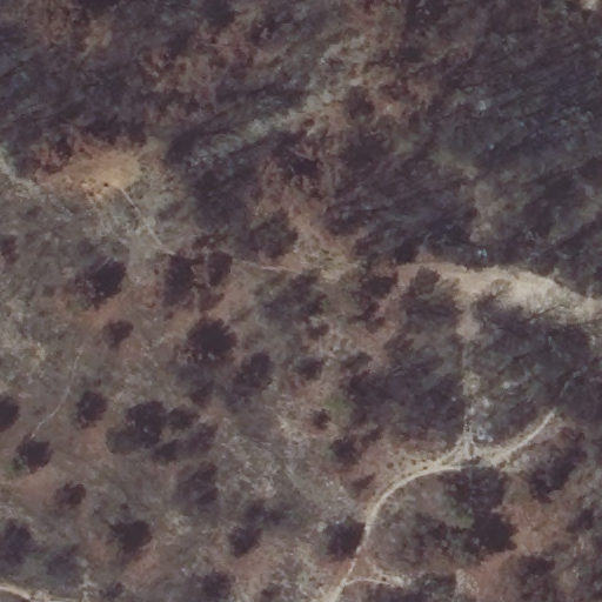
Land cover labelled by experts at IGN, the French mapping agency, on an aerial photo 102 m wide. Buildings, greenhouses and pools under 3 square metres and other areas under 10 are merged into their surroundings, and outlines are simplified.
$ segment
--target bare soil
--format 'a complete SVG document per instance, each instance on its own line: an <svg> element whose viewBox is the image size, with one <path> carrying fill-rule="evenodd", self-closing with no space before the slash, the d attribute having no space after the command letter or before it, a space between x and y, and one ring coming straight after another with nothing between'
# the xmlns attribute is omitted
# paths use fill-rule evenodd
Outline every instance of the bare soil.
<svg viewBox="0 0 602 602"><path fill-rule="evenodd" d="M132 153L134 143L129 141L129 136L118 136L115 146L111 148L92 134L82 134L78 127L63 129L42 122L31 134L31 158L21 162L16 169L0 148L0 583L12 583L28 590L45 590L52 597L73 602L296 602L296 583L303 564L296 562L296 546L310 546L317 564L350 560L357 543L362 541L362 522L367 506L374 496L388 489L395 468L404 468L407 463L419 461L435 461L440 454L452 452L459 435L463 433L463 412L482 397L491 400L487 416L494 442L499 447L508 444L513 454L491 468L487 468L480 459L468 459L463 461L461 470L419 477L400 487L376 517L372 557L383 571L407 574L414 583L421 581L426 574L454 576L454 590L475 597L475 602L522 602L517 595L517 574L520 560L524 555L539 555L546 562L555 562L553 574L560 578L560 588L574 588L578 583L578 569L571 567L571 560L590 550L593 543L586 534L569 534L567 524L588 508L595 513L597 508L602 508L602 468L597 463L588 466L583 449L564 447L557 435L562 428L581 428L586 435L602 430L602 343L590 346L578 320L562 325L557 315L548 315L546 310L529 310L524 306L501 308L491 294L482 294L480 299L475 299L473 294L459 289L459 282L442 280L437 275L447 263L433 256L428 249L419 247L419 254L412 263L379 263L374 266L376 277L360 285L355 270L360 268L360 261L350 256L355 252L355 245L369 235L367 228L360 226L350 235L339 238L329 235L322 228L325 214L320 212L320 202L301 198L296 188L287 186L277 205L266 205L245 198L245 205L252 209L252 228L273 216L275 207L285 207L289 226L299 233L294 247L280 259L259 254L254 261L230 263L226 282L216 287L209 277L209 266L202 263L202 256L212 256L209 247L193 245L195 238L200 238L200 226L193 216L193 193L186 193L181 174L174 167L139 167Z"/></svg>
<svg viewBox="0 0 602 602"><path fill-rule="evenodd" d="M364 602L367 590L372 586L353 583L341 593L339 602Z"/></svg>

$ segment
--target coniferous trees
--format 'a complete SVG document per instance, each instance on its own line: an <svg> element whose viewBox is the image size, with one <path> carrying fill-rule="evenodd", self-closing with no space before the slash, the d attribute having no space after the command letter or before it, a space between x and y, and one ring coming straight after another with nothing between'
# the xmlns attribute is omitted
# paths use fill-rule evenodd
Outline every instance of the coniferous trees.
<svg viewBox="0 0 602 602"><path fill-rule="evenodd" d="M567 524L569 534L586 534L593 543L590 550L571 560L571 567L578 569L578 583L574 588L560 588L560 578L553 574L555 562L546 562L539 555L524 555L520 560L517 574L517 595L522 602L602 602L602 508L597 508L595 513L588 508Z"/></svg>
<svg viewBox="0 0 602 602"><path fill-rule="evenodd" d="M602 310L595 310L590 320L578 320L590 346L602 343Z"/></svg>
<svg viewBox="0 0 602 602"><path fill-rule="evenodd" d="M550 277L555 285L574 289L586 299L602 299L602 0L0 0L0 148L16 169L21 162L31 158L31 134L42 122L63 129L78 127L82 134L92 134L111 148L115 146L118 136L129 136L129 141L134 143L132 153L139 167L174 167L181 174L186 193L193 193L193 216L200 226L200 238L195 238L193 245L209 247L212 256L202 256L202 263L209 266L209 277L216 287L226 282L230 263L254 261L259 254L280 259L294 247L299 233L289 226L285 207L275 207L273 216L252 228L252 209L245 205L245 198L266 205L277 205L287 186L296 188L301 198L320 202L320 212L325 214L322 228L329 235L339 238L350 235L360 226L367 228L369 235L355 245L355 252L350 256L360 261L360 268L355 270L360 285L376 277L374 266L379 263L412 263L419 254L419 247L428 249L433 256L447 263L456 263L470 270L515 266L520 270Z"/></svg>
<svg viewBox="0 0 602 602"><path fill-rule="evenodd" d="M586 435L581 428L562 428L557 435L564 447L583 449L588 466L597 463L602 468L602 430Z"/></svg>
<svg viewBox="0 0 602 602"><path fill-rule="evenodd" d="M409 588L372 586L367 590L364 602L475 602L475 597L454 590L454 576L426 574L421 581L414 583Z"/></svg>

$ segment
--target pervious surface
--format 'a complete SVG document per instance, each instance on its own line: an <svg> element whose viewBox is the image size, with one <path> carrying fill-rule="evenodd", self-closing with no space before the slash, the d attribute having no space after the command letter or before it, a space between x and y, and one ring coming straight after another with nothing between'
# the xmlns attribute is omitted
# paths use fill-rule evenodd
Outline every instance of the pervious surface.
<svg viewBox="0 0 602 602"><path fill-rule="evenodd" d="M562 325L578 320L590 320L595 310L602 310L602 299L586 299L574 289L555 285L550 277L520 270L515 266L470 270L456 263L447 263L437 275L442 280L459 282L459 289L473 294L475 299L480 299L482 294L491 294L501 308L524 306L529 310L546 310L548 315L557 315Z"/></svg>
<svg viewBox="0 0 602 602"><path fill-rule="evenodd" d="M310 546L296 546L296 562L303 564L296 583L296 602L339 602L341 593L353 583L372 586L409 588L414 583L407 574L383 571L372 557L376 517L400 487L419 477L461 470L463 461L468 459L480 459L487 468L491 468L513 454L508 444L499 447L494 442L487 416L491 400L482 397L463 412L463 433L459 435L452 452L440 454L435 461L419 461L407 463L404 468L395 468L388 489L374 496L367 506L362 522L362 541L357 543L350 560L317 564Z"/></svg>
<svg viewBox="0 0 602 602"><path fill-rule="evenodd" d="M0 602L73 602L52 597L45 590L28 590L12 583L0 583Z"/></svg>

